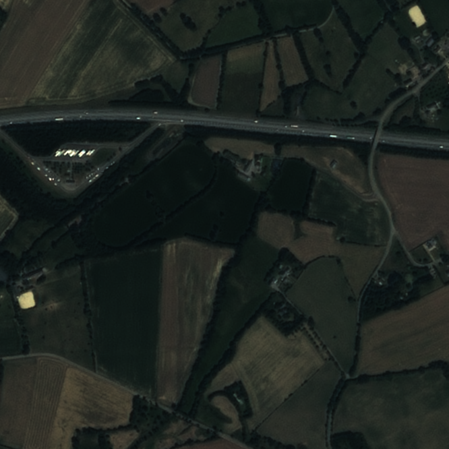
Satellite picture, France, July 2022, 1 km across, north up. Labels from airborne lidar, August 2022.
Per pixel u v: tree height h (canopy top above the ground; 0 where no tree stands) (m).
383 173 0
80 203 8
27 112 0
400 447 0
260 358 0
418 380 0
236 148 0
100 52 0
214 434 13
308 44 0
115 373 0
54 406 0
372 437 0
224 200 0
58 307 0
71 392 0
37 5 0
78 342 0
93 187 10
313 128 0
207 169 0
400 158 0
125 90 0
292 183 0
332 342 0
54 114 0
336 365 9
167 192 0
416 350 0
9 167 16
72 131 13
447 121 0
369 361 0
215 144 0
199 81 0
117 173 14
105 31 0
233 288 0
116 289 0
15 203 21
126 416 0
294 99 0
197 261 0
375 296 12
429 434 0
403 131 8
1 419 0
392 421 0
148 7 0
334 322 0
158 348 0
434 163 0
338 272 0
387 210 0
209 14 0
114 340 0
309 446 0
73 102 0
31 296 0
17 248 0
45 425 0
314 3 0
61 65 0
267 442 6
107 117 0
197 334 0
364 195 0
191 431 0
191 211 0
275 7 0
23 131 13
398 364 0
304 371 0
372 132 0
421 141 0
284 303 6
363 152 7
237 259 16
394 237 0
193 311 0
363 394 0
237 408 9
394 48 0
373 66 0
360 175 0
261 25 14
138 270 0
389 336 0
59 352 0
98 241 11
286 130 0
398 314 0
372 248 0
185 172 0
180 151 0
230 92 0
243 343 0
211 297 0
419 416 0
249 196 0
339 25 0
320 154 0
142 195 0
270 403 0
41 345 0
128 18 0
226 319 0
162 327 0
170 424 0
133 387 0
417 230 0
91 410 0
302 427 0
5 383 0
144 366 0
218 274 0
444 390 0
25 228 0
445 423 0
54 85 0
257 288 0
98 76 0
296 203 0
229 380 0
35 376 0
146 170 11
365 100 0
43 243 0
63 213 12
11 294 10
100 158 0
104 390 0
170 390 0
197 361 7
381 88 0
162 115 0
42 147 17
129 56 0
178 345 0
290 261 7
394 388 0
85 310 7
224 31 0
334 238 0
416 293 11
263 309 13
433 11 0
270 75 0
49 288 0
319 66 0
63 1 0
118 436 0
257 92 0
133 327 0
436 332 0
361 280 0
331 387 0
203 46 11
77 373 0
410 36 0
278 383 0
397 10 24
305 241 0
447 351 0
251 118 0
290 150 0
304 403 0
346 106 0
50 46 0
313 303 0
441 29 0
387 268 0
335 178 0
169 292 0
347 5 0
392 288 15
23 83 0
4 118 0
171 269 0
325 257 5
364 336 0
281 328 9
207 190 12
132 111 0
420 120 8
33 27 0
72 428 0
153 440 0
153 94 11
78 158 0
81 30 0
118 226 0
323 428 0
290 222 0
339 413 0
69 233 8
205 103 0
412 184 0
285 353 0
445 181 0
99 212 17
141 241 16
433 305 0
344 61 0
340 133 0
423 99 6
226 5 0
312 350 0
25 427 0
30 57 0
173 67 0
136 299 0
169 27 0
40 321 0
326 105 0
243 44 9
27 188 11
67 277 0
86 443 0
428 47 12
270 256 0
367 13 0
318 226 0
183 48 0
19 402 0
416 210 0
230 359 17
